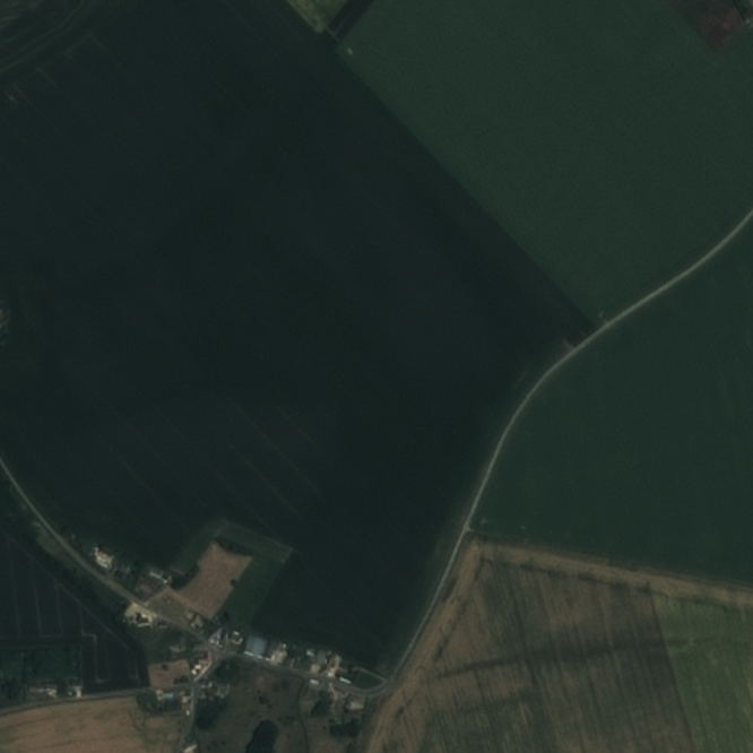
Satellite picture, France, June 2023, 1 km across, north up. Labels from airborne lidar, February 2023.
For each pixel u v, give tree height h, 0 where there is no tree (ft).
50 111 0
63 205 0
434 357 0
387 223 0
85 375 0
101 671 0
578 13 0
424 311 0
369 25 0
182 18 0
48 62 0
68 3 0
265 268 0
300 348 0
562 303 0
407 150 0
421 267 0
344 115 0
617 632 0
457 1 0
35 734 0
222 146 0
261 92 0
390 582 0
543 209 0
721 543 0
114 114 0
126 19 0
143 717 0
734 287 0
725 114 0
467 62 0
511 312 0
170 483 0
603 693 0
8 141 0
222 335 0
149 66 0
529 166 0
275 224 0
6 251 0
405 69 0
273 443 0
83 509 0
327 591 0
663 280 0
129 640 0
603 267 0
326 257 0
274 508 0
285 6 0
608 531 0
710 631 0
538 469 0
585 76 0
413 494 0
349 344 0
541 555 0
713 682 0
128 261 0
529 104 0
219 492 0
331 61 0
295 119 0
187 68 0
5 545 0
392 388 0
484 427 0
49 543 0
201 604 0
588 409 0
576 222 0
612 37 0
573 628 0
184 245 0
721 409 0
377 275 0
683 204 0
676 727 0
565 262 0
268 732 73
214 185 0
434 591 0
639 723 0
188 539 0
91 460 0
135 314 0
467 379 0
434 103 0
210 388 0
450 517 0
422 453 0
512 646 0
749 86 0
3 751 0
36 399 0
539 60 0
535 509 0
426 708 0
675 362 0
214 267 0
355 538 0
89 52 0
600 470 0
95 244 0
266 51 0
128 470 0
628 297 0
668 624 0
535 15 0
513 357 0
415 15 0
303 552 0
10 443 0
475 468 0
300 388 0
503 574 0
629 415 0
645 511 0
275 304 0
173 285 0
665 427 0
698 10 0
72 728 0
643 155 0
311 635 0
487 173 0
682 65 0
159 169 0
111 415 0
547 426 0
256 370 0
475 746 0
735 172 0
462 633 0
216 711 32
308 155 0
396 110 0
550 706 0
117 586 0
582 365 0
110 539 0
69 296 0
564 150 0
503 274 0
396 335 0
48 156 0
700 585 0
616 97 0
